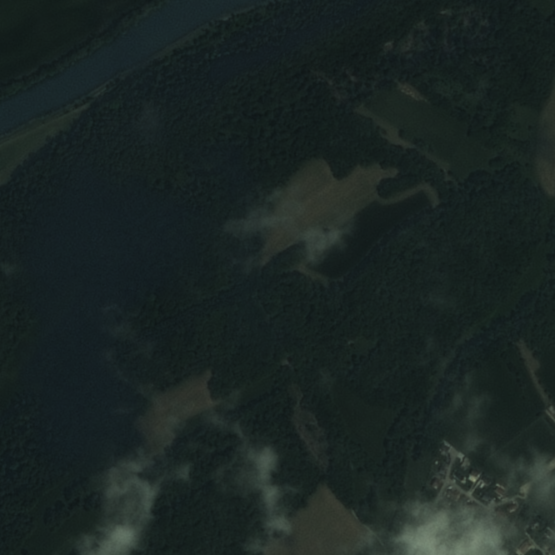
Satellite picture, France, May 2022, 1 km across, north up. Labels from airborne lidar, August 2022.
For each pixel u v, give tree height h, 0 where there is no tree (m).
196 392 0
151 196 23
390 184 21
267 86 28
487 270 19
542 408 0
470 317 16
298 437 17
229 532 20
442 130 0
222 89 16
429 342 19
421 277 13
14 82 13
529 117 0
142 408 21
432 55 15
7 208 14
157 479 29
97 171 16
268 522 19
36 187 24
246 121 26
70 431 24
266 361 17
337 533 0
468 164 0
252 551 15
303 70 18
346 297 24
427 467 0
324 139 23
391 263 18
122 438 21
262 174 21
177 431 0
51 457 21
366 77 16
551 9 0
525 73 15
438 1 17
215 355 19
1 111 0
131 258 28
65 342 24
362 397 16
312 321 24
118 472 23
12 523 14
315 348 18
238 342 18
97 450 0
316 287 27
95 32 0
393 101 0
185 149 13
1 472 31
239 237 20
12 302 20
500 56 25
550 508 0
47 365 29
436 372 22
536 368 0
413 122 0
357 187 0
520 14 25
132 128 18
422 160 26
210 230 17
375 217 0
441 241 17
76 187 16
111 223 13
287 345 18
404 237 22
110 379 19
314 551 0
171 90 20
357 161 17
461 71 25
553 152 0
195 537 21
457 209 29
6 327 18
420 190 0
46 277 16
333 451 17
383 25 15
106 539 18
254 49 24
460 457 0
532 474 0
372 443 0
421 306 16
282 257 20
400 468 19
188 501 24
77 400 24
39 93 0
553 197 0
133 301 27
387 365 17
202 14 0
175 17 0
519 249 19
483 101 24
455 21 14
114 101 31
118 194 13
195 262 17
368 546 0
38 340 0
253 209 20
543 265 0
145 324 24
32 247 17
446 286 21
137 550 17
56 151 24
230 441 25
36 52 0
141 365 19
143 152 14
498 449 0
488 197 24
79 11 0
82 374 21
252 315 18
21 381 0
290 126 20
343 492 15
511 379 0
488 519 0
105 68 0
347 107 19
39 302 25
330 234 17
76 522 0
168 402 0
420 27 5
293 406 17
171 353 18
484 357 16
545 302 18
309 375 21
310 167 0
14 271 15
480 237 17
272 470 18
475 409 0
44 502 0
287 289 23
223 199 15
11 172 0
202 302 19
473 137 16
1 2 0
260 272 14
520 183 13
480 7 24
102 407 24
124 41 0
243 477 19
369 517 12
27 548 0
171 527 23
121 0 0
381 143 18
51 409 12
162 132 14
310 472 18
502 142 8
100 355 23
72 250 13
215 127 22
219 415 0
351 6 17
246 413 24
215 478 19
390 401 18
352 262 0
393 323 17
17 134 0
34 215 22
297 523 0
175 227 23
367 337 12
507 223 19
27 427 22
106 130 22
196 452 23
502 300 20
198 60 16
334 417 18
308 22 19
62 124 0
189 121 8
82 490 24
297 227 0
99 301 24
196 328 19
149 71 14
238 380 17
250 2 0
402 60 13
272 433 18
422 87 23
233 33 6
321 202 0
